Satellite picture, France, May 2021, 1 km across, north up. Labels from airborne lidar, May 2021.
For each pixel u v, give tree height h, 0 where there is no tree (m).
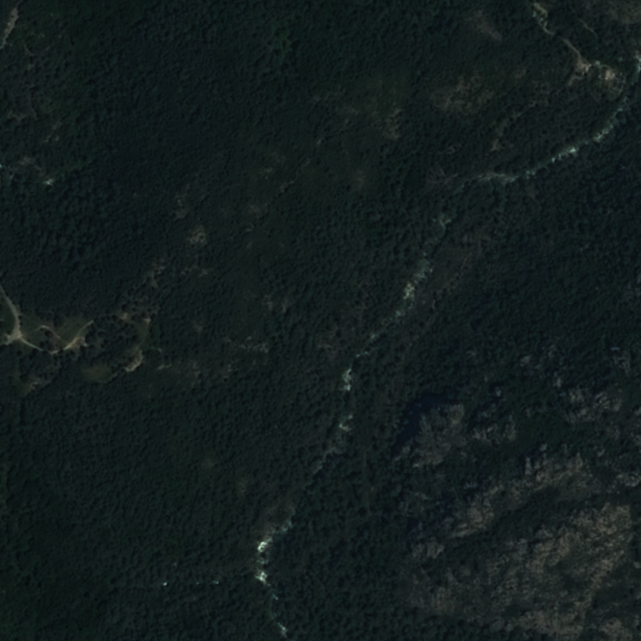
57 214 13
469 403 9
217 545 19
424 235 13
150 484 12
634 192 18
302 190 6
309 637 9
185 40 21
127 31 18
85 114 22
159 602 17
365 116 9
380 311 20
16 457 22
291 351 24
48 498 28
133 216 13
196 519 28
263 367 9
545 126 16
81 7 19
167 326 14
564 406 8
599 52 14
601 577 11
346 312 27
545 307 8
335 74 8
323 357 25
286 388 26
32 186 28
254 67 24
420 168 18
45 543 24
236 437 20
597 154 18
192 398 19
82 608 25
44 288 20
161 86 16
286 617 25
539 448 7
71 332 0
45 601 12
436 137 10
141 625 21
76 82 16
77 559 26
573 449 8
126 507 16
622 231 14
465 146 15
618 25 9
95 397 18
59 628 20
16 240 12
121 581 28
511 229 9
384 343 23
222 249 7
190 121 7
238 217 10
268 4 25
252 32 27
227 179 13
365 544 9
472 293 6
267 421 15
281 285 18
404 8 13
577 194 23
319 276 19
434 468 7
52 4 16
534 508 15
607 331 15
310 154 8
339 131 10
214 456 6
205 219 11
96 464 23
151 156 12
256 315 6
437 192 15
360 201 11
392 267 19
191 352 16
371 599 25
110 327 16
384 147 15
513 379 12
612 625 7
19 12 7
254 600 10
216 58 17
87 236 11
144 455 18
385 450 20
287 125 13
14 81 26
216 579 21
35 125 13
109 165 9
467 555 13
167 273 11
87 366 16
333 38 11
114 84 22
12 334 6
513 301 18
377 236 9
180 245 13
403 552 6
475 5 6
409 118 7
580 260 16
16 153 18
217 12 16
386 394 26
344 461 27
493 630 22
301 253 18
